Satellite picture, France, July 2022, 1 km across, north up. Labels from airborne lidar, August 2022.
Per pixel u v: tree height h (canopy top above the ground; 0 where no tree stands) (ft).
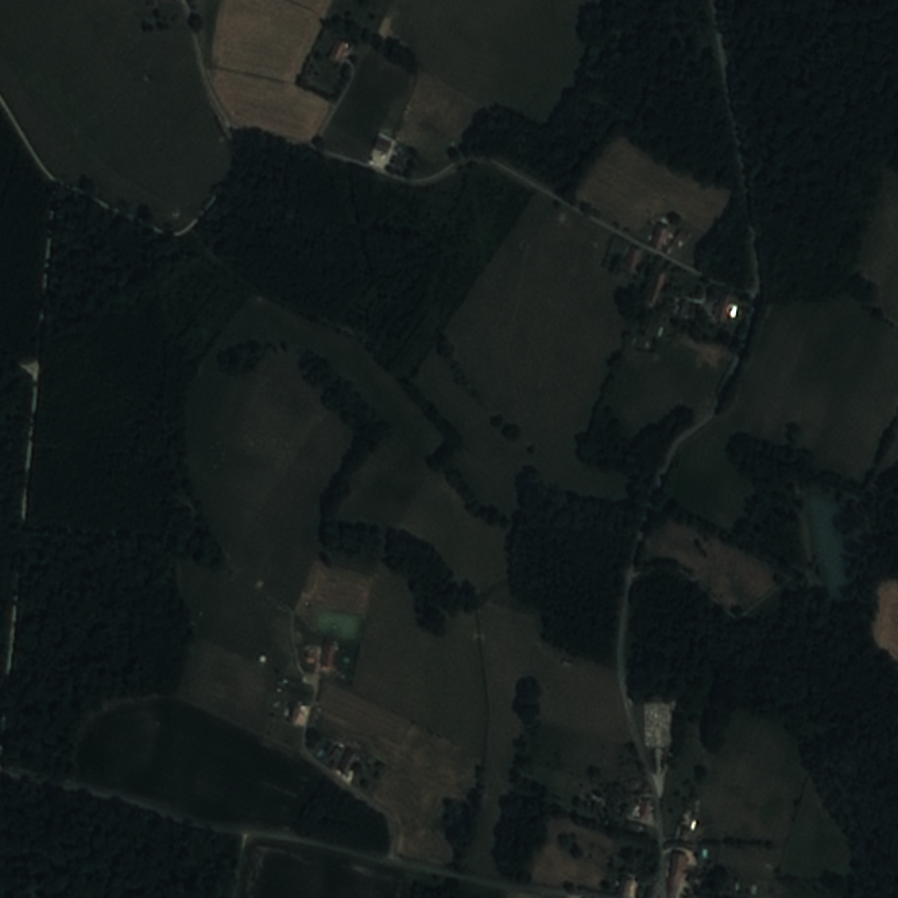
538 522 62
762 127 81
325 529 44
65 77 0
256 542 0
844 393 0
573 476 0
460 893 35
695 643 66
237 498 0
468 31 0
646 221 0
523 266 0
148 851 60
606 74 67
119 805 67
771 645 69
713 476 0
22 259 33
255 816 0
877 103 86
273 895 0
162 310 40
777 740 0
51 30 0
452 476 56
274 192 58
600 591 58
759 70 61
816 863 0
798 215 69
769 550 78
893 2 79
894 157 78
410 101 0
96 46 0
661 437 58
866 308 28
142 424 36
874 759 73
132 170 0
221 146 0
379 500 0
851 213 60
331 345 0
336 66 20
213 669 0
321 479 0
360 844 37
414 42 0
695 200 0
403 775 0
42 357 28
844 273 63
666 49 51
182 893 92
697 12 52
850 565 36
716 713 88
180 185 0
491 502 0
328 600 0
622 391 0
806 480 79
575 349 0
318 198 54
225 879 72
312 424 0
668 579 23
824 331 0
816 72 52
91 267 43
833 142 79
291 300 45
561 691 0
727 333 26
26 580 53
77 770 49
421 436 0
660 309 26
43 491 18
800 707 58
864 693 72
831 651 74
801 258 57
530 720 51
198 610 0
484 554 0
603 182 0
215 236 53
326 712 0
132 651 64
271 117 0
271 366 0
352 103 0
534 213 0
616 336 0
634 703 37
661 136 86
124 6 0
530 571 55
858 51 51
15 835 78
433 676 0
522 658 0
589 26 65
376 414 30
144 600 91
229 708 0
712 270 55
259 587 0
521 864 67
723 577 0
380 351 31
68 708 80
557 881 0
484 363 0
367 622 0
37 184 32
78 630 60
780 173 54
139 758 0
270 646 0
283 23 0
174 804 0
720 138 75
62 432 21
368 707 0
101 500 18
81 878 84
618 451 42
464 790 0
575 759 0
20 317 32
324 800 45
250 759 0
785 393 0
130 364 20
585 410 0
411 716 0
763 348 0
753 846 29
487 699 0
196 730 0
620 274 50
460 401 0
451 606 75
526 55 0
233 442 0
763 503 47
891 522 81
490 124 69
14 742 83
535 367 0
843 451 0
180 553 44
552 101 0
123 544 66
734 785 0
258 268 48
